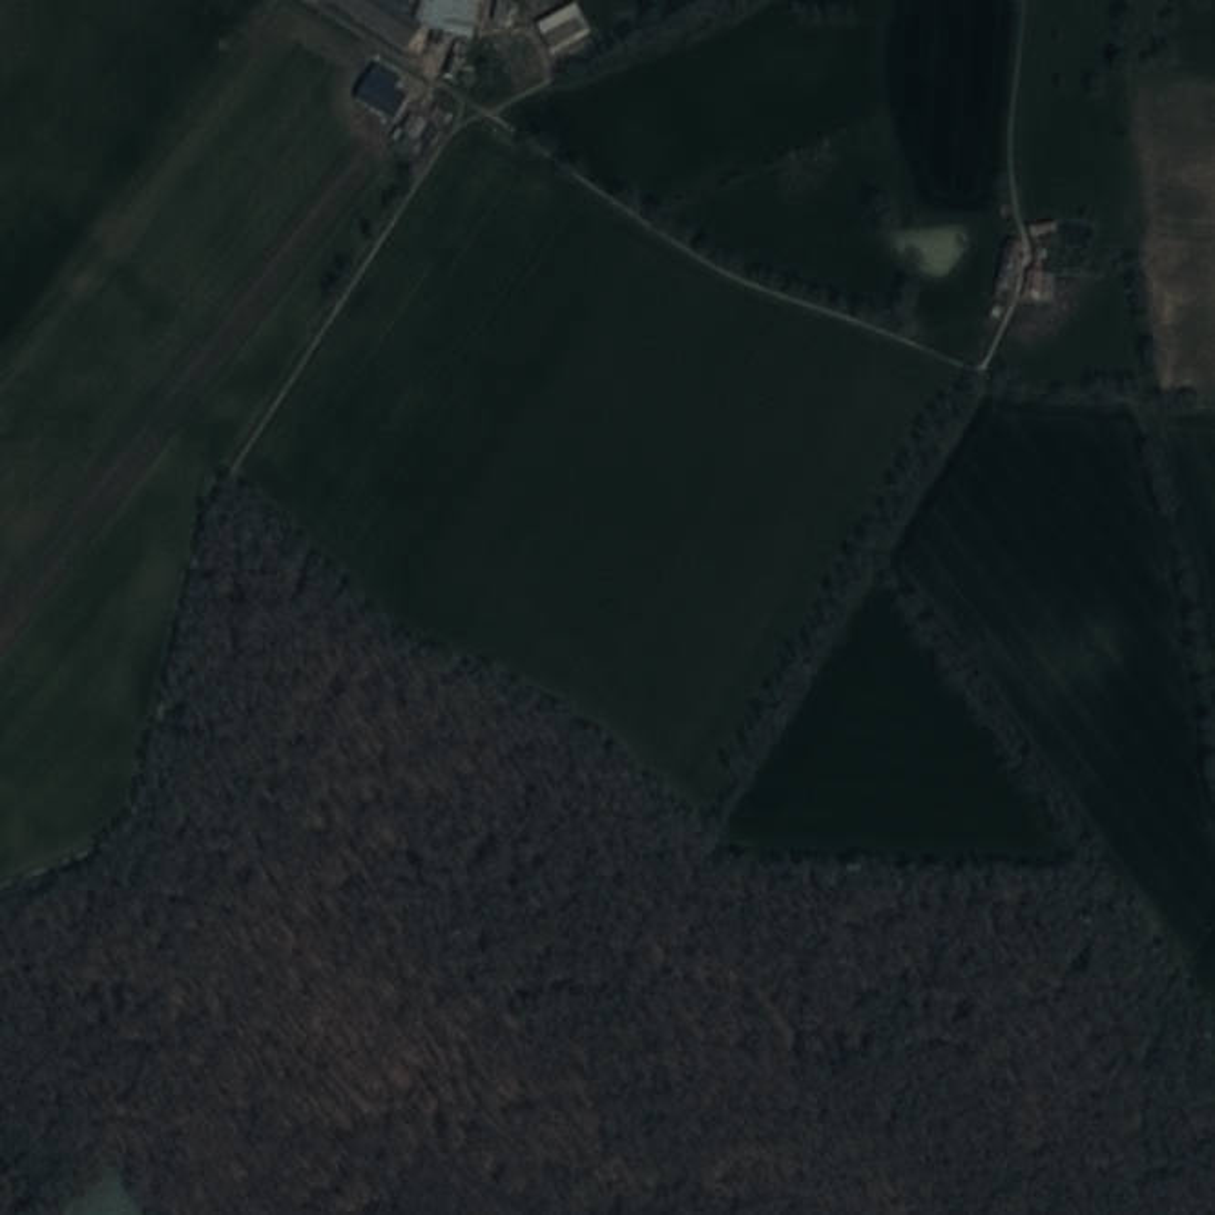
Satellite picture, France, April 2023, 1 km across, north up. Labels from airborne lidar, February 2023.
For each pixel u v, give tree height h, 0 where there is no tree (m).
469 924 21
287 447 0
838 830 0
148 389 0
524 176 0
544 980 21
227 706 13
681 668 0
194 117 0
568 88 18
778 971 25
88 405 0
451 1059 26
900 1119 18
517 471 0
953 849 0
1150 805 0
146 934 24
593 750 24
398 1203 21
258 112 0
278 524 20
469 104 0
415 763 24
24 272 0
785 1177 18
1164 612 0
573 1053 19
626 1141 12
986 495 0
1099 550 0
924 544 0
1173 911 0
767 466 0
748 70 0
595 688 0
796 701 18
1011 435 0
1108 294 0
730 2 21
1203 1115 21
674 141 0
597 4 0
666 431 0
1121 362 0
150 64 0
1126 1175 25
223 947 25
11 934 17
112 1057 21
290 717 20
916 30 0
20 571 0
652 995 22
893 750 0
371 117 0
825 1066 22
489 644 0
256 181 0
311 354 0
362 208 0
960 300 0
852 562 21
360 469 0
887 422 0
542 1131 25
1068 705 0
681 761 0
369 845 26
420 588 0
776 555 0
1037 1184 20
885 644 0
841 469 0
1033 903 23
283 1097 27
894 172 0
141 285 0
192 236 0
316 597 23
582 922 21
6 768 0
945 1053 20
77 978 21
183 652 16
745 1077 21
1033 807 0
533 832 27
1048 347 0
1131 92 0
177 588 0
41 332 0
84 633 0
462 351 0
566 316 0
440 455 0
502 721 25
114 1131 24
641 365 0
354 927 19
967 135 0
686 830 23
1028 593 0
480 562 0
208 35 0
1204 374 0
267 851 25
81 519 0
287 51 0
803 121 0
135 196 0
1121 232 0
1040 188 0
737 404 0
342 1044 27
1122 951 23
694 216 0
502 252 0
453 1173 23
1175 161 0
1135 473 0
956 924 24
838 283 0
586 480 0
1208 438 0
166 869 20
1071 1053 26
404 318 0
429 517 0
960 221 0
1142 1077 25
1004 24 0
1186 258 0
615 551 0
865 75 0
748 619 0
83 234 0
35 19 0
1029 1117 24
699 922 26
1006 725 20
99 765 0
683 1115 23
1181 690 0
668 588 0
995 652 0
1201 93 0
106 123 0
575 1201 27
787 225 0
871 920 23
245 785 19
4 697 0
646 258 0
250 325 0
